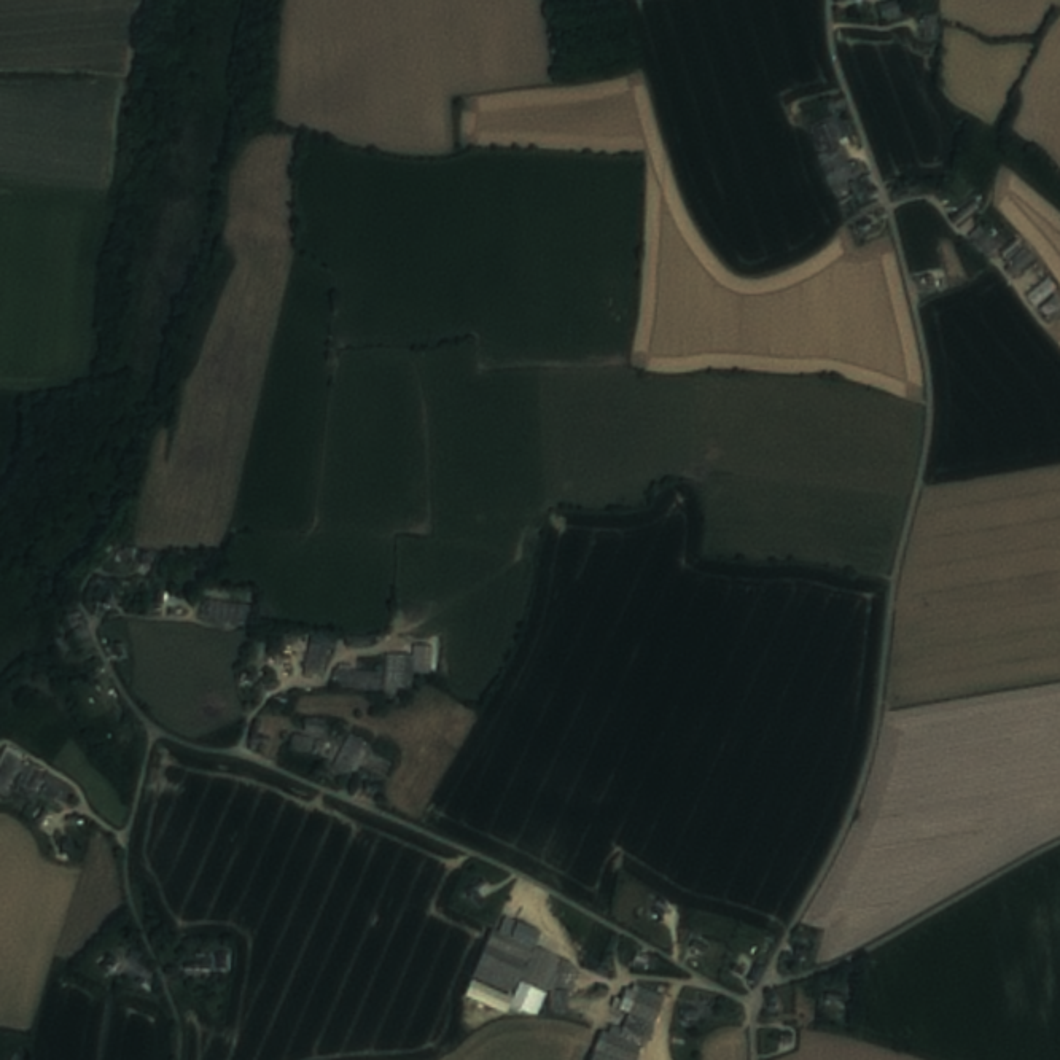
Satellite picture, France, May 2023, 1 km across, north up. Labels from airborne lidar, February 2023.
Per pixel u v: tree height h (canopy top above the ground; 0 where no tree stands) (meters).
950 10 0
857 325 0
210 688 0
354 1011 0
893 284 0
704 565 0
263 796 0
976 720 0
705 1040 0
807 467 0
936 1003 0
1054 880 0
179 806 0
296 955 0
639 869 0
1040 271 0
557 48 14
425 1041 0
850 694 0
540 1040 0
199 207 0
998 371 0
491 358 0
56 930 0
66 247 0
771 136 0
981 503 0
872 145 0
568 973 0
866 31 0
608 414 0
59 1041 0
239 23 6
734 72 0
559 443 0
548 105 0
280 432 0
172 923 0
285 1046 0
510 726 0
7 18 0
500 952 0
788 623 0
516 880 0
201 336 0
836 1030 10
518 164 0
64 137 0
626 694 0
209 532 0
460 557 0
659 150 0
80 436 19
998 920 0
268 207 0
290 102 0
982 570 0
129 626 0
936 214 0
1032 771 0
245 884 0
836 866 0
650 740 0
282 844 0
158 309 0
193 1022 0
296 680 0
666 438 0
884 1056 0
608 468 0
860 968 13
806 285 0
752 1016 0
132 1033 0
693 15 0
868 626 0
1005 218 0
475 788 0
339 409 0
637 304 0
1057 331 0
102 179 0
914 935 0
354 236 0
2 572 13
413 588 0
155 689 0
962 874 0
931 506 0
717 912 0
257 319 0
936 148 0
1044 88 0
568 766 0
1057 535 0
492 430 0
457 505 0
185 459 0
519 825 0
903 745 0
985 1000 0
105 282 11
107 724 0
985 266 8
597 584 0
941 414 0
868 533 0
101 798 0
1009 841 0
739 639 0
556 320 0
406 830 0
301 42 0
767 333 0
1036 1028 0
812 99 0
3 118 0
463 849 0
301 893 0
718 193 0
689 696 0
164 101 21
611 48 16
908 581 0
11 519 19
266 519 0
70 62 0
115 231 10
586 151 6
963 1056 0
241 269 0
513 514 0
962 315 0
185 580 0
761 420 0
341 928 0
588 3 13
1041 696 0
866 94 0
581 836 0
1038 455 0
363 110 0
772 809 0
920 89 0
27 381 0
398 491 0
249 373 0
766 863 0
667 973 6
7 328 0
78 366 0
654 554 0
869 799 0
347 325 0
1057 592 0
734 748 0
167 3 22
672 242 0
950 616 0
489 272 0
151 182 6
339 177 0
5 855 0
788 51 0
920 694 0
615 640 0
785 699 0
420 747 0
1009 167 0
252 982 0
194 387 0
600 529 0
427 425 0
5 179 0
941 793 0
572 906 0
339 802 0
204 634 0
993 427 0
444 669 0
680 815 0
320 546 0
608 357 0
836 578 0
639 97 0
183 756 0
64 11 0
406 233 0
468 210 0
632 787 0
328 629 9
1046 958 0
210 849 0
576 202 0
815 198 0
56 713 0
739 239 0
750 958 0
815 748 0
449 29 0
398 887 0
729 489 0
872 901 0
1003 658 0
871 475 0
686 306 0
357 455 0
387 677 0
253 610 11
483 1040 0
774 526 0
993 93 0
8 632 0
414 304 0
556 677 0
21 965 0
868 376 0
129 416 8
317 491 0
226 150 13
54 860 0
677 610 0
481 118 0
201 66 0
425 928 0
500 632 0
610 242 0
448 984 0
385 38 0
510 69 0
